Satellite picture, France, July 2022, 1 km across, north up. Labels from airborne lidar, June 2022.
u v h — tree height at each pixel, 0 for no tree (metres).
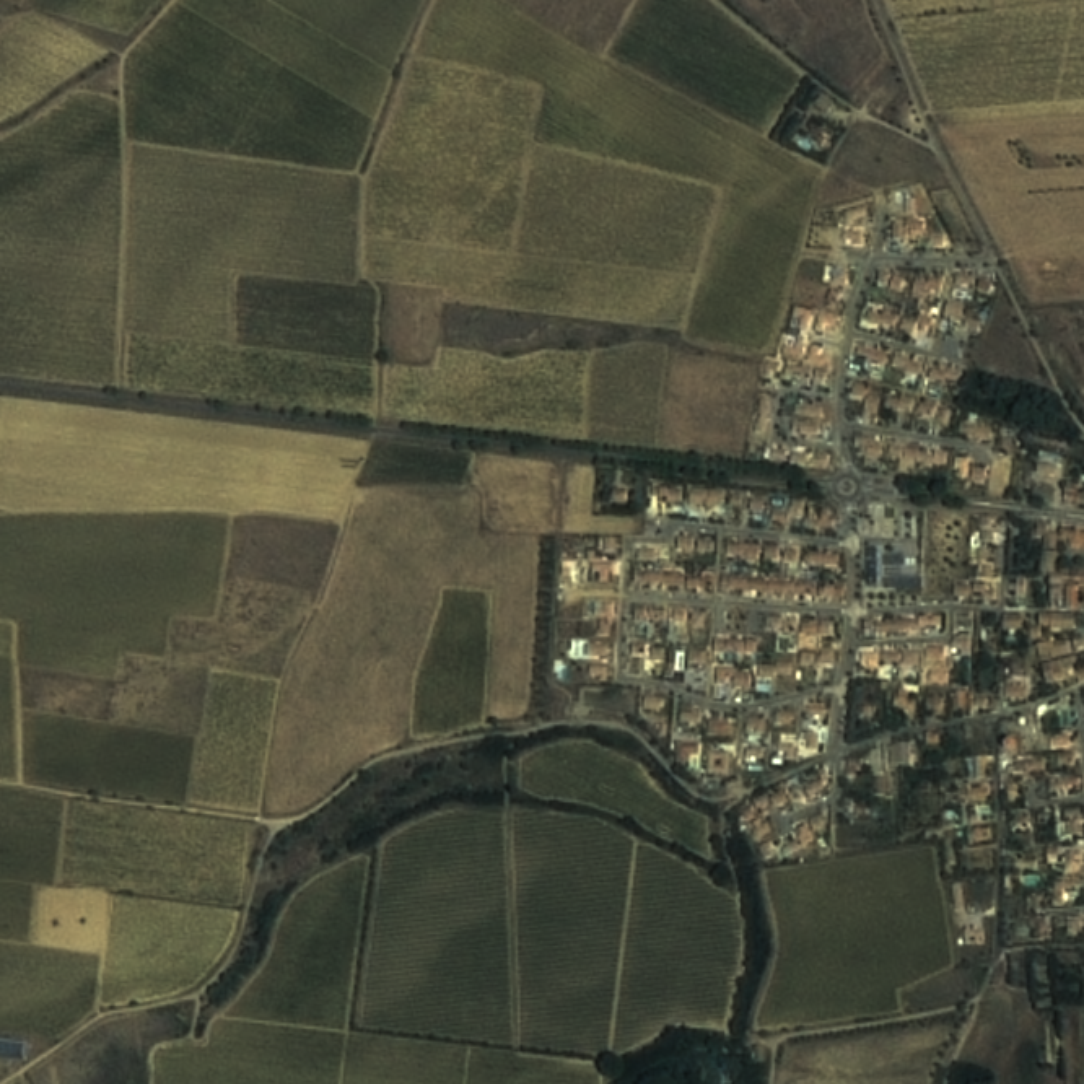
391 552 0
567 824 0
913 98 0
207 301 0
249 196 0
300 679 0
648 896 0
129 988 0
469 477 0
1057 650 0
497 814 0
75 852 0
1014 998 0
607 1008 0
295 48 0
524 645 0
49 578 0
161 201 0
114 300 0
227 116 0
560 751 0
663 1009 0
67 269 0
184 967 0
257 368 0
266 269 0
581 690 0
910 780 8
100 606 0
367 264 0
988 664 12
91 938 0
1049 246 0
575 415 0
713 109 0
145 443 0
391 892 0
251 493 0
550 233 0
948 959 0
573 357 0
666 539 0
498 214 0
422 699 0
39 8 0
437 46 0
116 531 0
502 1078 0
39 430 0
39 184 0
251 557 0
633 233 0
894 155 0
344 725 0
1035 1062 0
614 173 0
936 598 0
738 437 0
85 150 0
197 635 0
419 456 0
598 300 0
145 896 0
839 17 0
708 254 0
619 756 0
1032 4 0
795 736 0
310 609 0
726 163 0
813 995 0
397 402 0
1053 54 0
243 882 0
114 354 0
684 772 13
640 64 0
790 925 0
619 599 0
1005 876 10
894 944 0
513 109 0
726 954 0
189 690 0
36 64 0
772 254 0
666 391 0
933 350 0
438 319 0
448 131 0
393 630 0
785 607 0
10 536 0
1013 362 0
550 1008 0
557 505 0
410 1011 0
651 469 14
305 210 0
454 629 0
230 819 0
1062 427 10
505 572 0
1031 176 0
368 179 0
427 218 0
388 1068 0
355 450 0
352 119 0
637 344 0
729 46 0
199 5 0
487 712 0
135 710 0
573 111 0
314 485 0
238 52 0
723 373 0
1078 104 0
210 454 0
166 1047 0
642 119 0
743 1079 11
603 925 0
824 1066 0
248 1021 0
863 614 0
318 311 0
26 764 0
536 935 0
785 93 0
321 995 0
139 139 0
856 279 0
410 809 8
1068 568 10
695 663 0
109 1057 0
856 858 0
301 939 0
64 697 0
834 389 0
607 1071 20
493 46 0
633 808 0
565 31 0
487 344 0
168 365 0
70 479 0
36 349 0
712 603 0
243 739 0
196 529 0
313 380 0
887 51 0
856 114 0
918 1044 0
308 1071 0
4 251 0
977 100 0
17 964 0
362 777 9
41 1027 0
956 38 0
